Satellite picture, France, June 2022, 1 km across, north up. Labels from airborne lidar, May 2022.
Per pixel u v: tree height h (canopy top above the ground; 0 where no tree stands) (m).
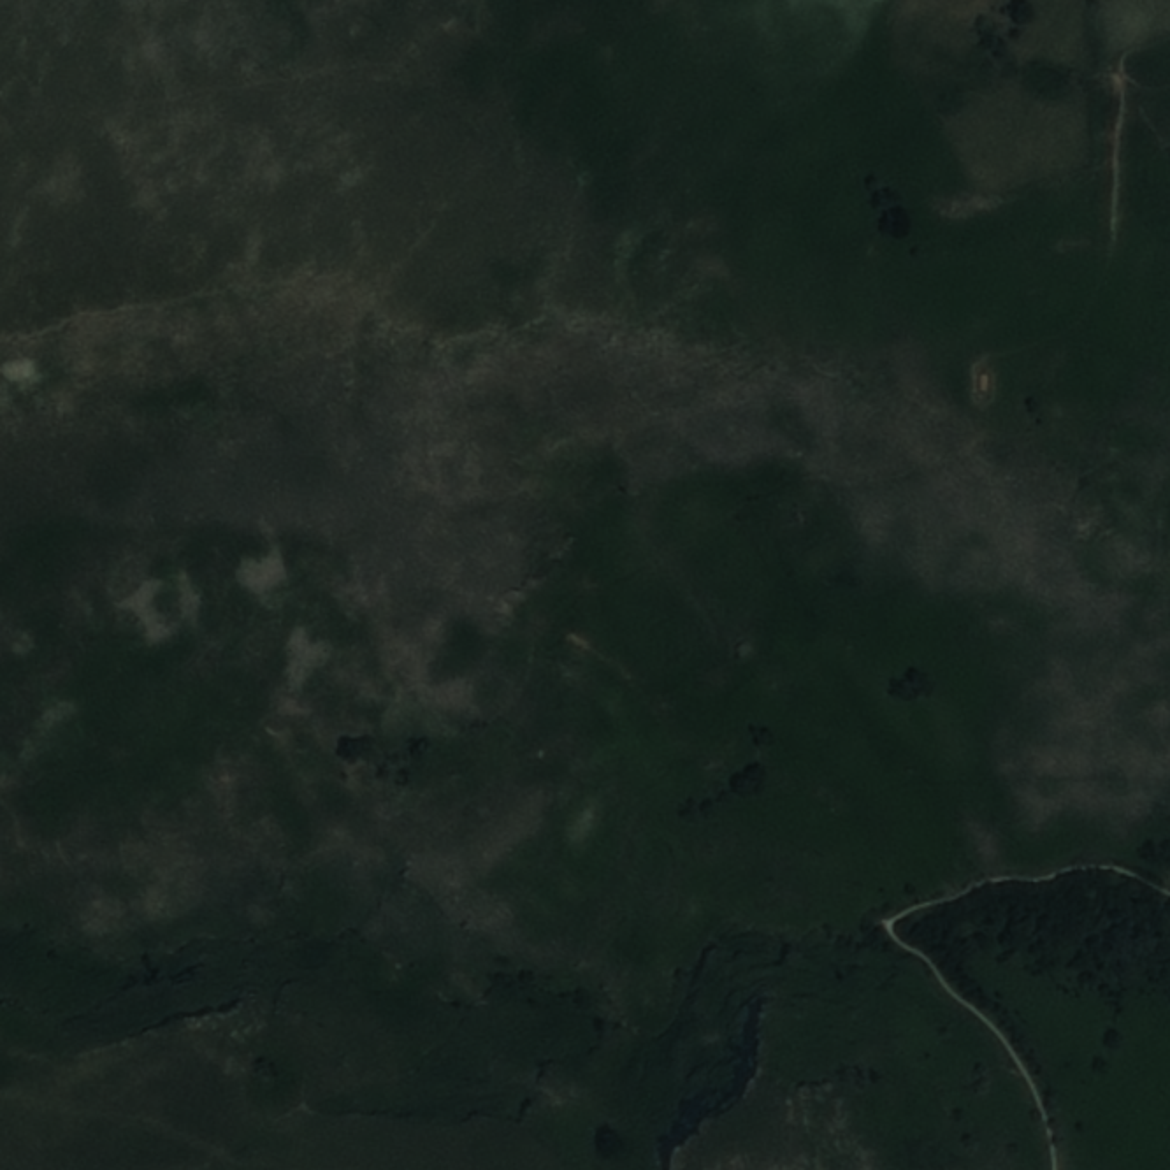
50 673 0
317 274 0
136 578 0
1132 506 0
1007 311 0
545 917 0
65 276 0
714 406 0
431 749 18
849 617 0
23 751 0
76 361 0
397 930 0
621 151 0
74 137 0
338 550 0
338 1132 0
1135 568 0
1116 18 0
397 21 0
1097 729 0
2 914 0
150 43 0
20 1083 0
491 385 0
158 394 0
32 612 0
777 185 0
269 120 0
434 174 0
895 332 0
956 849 0
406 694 0
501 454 0
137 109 0
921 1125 0
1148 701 0
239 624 0
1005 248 0
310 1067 0
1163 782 0
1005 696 0
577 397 0
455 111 0
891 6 0
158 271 0
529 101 0
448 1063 0
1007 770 0
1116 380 0
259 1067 6
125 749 0
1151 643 0
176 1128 0
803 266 0
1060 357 0
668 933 0
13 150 0
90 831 0
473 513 0
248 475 0
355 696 0
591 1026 0
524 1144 0
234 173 0
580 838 0
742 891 0
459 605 0
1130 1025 0
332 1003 0
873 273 0
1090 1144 0
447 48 0
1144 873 8
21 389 0
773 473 0
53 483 0
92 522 0
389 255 0
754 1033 9
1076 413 0
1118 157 0
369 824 0
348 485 0
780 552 0
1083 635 0
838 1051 0
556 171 0
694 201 0
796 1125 0
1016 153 0
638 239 0
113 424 0
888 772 0
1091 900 19
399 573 0
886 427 0
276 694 0
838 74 0
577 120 0
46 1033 0
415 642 0
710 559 0
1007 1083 0
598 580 0
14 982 0
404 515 0
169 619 0
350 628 0
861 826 0
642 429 0
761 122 0
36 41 0
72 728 0
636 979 0
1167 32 0
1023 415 0
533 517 0
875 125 0
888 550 0
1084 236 0
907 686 17
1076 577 0
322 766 0
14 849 0
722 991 0
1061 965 10
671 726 0
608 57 0
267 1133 0
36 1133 0
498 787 0
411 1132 0
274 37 0
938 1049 0
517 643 0
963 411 0
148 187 0
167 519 0
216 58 0
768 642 0
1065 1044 0
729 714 0
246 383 0
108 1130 0
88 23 0
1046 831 0
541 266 0
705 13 0
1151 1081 0
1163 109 0
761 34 0
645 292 0
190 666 0
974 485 0
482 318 0
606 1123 0
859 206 0
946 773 0
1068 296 0
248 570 0
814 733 0
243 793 0
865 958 0
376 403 0
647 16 0
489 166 0
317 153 0
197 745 0
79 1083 0
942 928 12
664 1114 0
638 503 0
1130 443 0
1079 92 0
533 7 0
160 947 0
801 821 0
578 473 0
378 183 0
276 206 0
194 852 0
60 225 0
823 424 0
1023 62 0
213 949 0
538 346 0
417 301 0
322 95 0
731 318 0
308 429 0
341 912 0
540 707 0
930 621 0
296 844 0
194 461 0
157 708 0
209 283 0
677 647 0
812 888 0
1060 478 0
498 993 0
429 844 0
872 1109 0
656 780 0
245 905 0
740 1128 0
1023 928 12
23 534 0
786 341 0
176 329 0
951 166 0
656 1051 0
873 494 0
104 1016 0
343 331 0
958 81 0
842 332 0
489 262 0
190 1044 0
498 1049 0
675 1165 0
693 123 0
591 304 0
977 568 0
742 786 20
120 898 0
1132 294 0
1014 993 0
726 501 0
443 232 0
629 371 0
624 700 0
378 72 0
